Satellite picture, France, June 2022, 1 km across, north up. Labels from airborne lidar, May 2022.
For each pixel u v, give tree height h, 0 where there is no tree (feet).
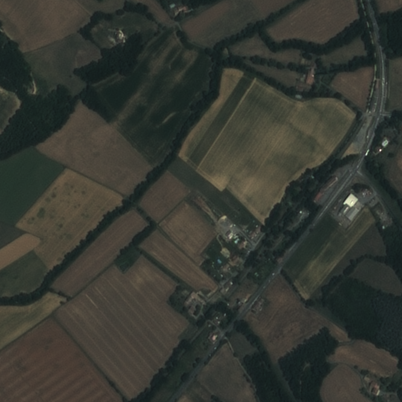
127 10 49
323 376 52
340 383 0
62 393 0
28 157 0
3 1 0
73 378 0
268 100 0
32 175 0
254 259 53
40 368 0
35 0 0
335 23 0
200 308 45
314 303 42
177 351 60
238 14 0
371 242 0
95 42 36
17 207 0
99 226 35
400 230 21
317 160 0
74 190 0
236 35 24
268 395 57
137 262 0
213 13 0
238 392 0
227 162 0
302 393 18
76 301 0
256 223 0
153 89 0
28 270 0
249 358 42
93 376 0
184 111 0
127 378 0
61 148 0
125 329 0
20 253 0
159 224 0
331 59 0
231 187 0
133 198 45
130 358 0
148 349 0
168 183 0
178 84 0
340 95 58
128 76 68
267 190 0
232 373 0
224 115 0
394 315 41
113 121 0
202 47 0
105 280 0
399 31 56
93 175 0
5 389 0
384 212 0
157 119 0
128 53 53
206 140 0
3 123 0
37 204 0
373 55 51
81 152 0
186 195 0
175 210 0
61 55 0
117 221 0
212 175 0
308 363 56
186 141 0
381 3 0
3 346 0
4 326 0
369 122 0
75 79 0
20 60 48
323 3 0
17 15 0
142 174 0
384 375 0
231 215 0
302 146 0
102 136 0
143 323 0
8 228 0
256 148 0
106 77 39
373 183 0
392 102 0
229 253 0
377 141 50
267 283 0
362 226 0
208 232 0
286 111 0
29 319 0
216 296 0
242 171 0
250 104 0
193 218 0
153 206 0
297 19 0
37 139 65
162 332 0
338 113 0
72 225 0
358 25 59
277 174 0
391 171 0
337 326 0
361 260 27
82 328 0
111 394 0
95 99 64
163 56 0
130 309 0
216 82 52
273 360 0
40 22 0
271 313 0
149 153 0
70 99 58
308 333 0
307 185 49
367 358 0
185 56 0
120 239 0
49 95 31
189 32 0
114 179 0
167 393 0
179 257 0
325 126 0
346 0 0
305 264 0
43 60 0
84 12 0
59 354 0
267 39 52
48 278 73
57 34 0
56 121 49
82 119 0
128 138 0
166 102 0
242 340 0
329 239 0
